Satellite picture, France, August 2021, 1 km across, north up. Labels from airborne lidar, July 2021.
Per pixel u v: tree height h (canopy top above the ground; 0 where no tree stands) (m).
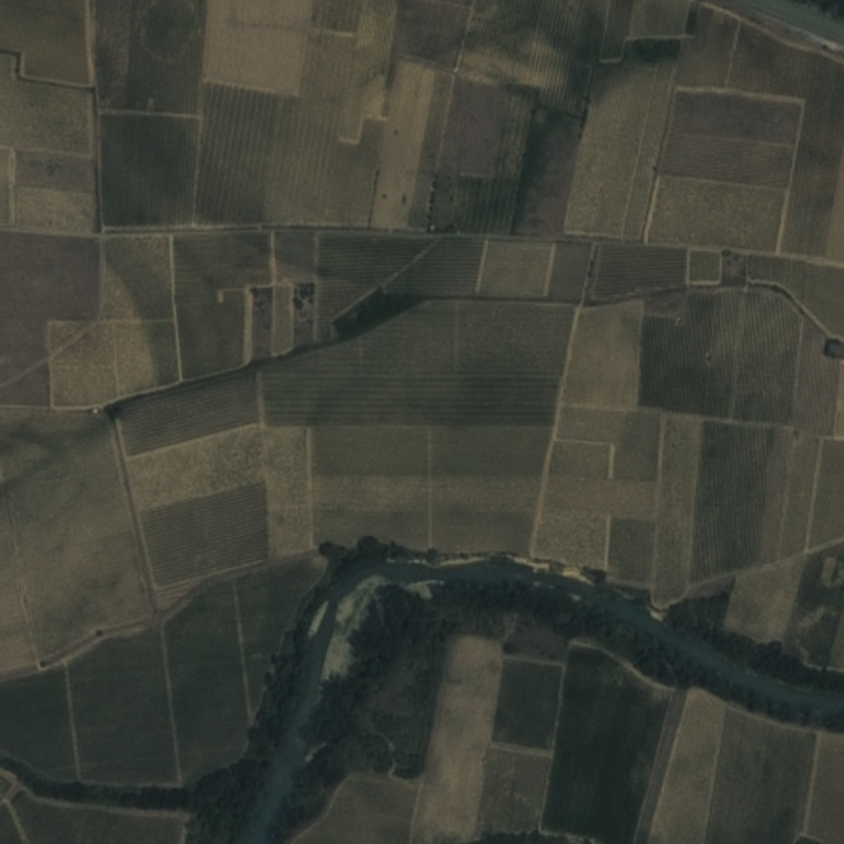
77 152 0
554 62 0
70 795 15
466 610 7
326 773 14
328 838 0
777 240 0
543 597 21
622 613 0
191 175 0
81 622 0
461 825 0
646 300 0
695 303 0
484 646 0
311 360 0
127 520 0
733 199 0
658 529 0
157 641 0
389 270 0
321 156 0
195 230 0
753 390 0
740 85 0
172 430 0
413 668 12
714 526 0
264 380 0
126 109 0
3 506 0
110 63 0
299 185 0
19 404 0
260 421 0
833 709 0
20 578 0
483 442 0
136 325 0
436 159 0
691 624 9
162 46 0
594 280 0
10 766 9
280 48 0
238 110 0
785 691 0
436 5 0
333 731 30
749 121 0
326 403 0
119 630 0
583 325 0
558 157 0
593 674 0
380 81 0
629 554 0
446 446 0
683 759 0
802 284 0
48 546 0
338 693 27
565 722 0
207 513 0
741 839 0
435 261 0
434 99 0
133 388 0
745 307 0
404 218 0
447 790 0
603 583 9
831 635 0
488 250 0
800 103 0
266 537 0
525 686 0
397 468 0
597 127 0
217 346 0
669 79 0
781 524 0
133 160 0
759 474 0
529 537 0
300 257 0
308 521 0
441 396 0
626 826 0
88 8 0
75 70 0
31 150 0
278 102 0
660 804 0
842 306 0
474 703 0
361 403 0
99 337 0
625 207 0
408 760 6
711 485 0
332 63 0
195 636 0
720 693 15
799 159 0
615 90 0
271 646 0
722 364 0
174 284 0
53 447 0
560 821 0
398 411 0
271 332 0
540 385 0
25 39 0
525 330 0
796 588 0
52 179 0
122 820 0
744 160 0
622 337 0
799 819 0
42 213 0
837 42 0
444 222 0
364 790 0
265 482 0
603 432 0
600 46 0
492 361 0
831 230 0
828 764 0
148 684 0
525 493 0
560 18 0
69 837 0
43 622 0
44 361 0
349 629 0
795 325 0
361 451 0
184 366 0
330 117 0
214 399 0
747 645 9
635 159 0
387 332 0
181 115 0
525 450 0
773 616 0
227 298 0
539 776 0
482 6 0
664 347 0
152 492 0
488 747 0
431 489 0
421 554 10
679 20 0
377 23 0
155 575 0
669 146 0
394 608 23
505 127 0
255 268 0
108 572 0
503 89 0
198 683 0
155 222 0
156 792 15
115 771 0
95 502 0
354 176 0
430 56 0
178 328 0
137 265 0
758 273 0
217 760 0
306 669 13
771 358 0
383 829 0
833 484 0
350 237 0
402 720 7
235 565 0
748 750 0
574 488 0
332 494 0
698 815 0
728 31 0
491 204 0
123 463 0
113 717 0
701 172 0
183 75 0
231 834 5
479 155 0
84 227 0
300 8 0
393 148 0
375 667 23
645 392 0
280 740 18
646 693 0
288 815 21
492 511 0
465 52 0
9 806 0
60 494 0
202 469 0
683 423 0
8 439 0
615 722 0
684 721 0
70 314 0
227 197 0
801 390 0
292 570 0
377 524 0
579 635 15
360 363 0
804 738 0
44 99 0
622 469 0
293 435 0
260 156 0
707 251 0
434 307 0
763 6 0
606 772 0
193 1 0
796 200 0
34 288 0
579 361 0
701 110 0
